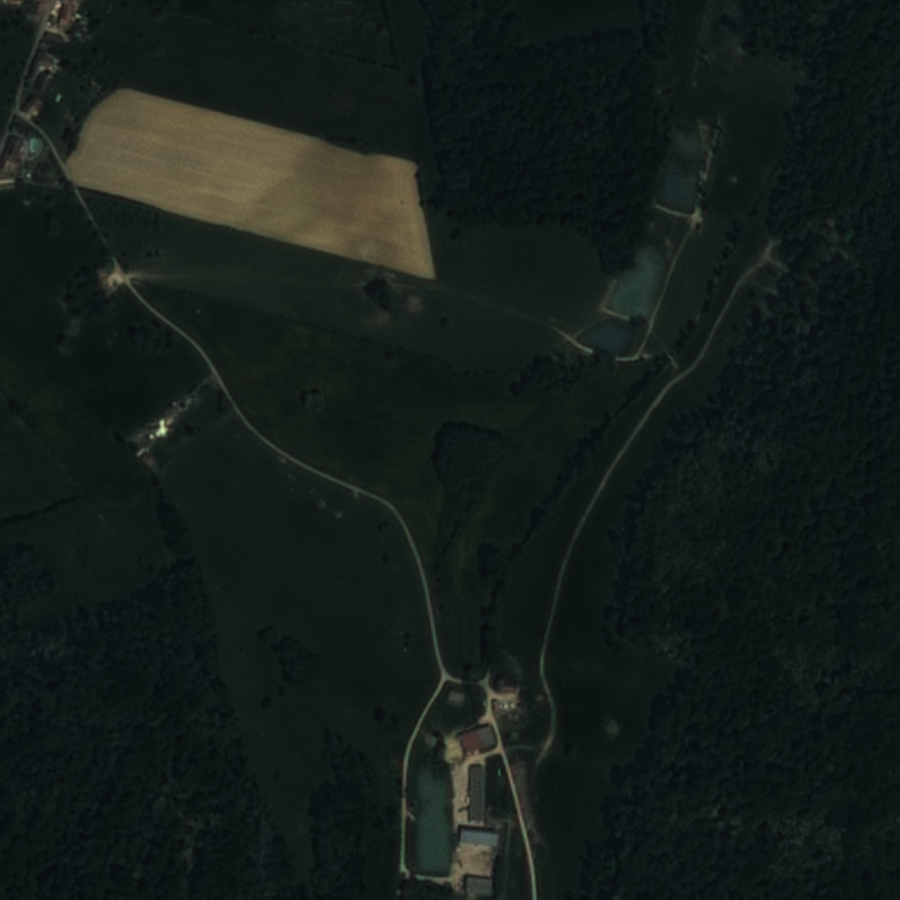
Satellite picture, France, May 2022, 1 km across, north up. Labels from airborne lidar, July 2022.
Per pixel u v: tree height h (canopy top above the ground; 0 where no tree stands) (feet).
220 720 100
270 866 84
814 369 82
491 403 0
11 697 87
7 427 0
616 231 94
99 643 99
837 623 69
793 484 88
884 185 67
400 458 0
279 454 0
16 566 95
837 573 75
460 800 0
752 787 108
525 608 0
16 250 0
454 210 73
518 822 0
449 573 0
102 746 86
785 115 0
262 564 0
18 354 0
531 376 63
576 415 0
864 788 103
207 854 93
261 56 0
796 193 95
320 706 0
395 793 0
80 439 0
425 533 0
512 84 90
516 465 0
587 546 0
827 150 86
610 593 0
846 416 100
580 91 51
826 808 77
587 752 0
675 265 0
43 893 63
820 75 98
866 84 93
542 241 0
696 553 82
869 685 96
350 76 0
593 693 0
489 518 0
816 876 86
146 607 98
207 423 0
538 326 0
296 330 0
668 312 0
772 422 100
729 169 0
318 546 0
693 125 0
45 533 0
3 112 0
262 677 0
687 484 78
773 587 76
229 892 96
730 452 92
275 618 0
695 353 0
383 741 0
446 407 0
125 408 0
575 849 0
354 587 0
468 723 0
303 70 0
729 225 0
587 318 0
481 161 95
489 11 70
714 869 73
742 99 0
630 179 90
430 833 0
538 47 0
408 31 0
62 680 99
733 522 67
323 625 0
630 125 104
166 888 85
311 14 0
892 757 93
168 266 0
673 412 0
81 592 0
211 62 0
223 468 0
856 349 95
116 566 0
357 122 0
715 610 83
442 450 63
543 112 37
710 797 82
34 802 73
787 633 74
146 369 0
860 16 98
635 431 0
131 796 97
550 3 0
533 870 0
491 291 0
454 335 0
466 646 0
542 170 79
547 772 0
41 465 0
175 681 102
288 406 0
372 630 0
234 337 0
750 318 0
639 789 72
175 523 87
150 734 99
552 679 0
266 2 0
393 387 0
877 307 100
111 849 87
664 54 102
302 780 0
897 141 103
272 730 0
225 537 0
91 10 22
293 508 0
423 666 0
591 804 0
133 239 0
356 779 81
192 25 0
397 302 0
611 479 0
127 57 0
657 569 85
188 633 87
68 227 0
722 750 92
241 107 0
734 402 83
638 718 0
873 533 93
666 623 80
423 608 0
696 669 90
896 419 78
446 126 81
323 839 92
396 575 0
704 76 0
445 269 0
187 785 95
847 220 85
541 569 0
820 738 101
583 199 81
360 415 0
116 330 0
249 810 86
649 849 99
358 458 0
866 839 91
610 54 82
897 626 112
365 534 0
